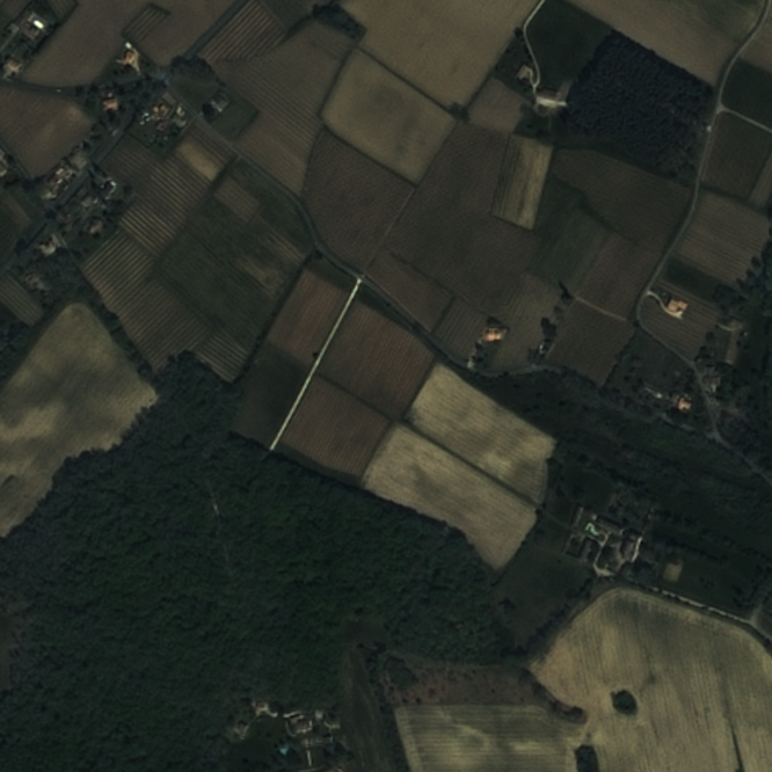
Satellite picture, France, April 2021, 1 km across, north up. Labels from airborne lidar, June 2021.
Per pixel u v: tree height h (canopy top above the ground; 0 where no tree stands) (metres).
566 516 0
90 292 18
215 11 0
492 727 0
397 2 0
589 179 0
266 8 0
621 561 7
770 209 0
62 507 16
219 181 0
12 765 18
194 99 0
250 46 0
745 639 0
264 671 19
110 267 0
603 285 0
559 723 0
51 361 0
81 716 15
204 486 15
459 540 21
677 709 0
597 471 6
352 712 0
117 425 0
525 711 0
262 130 0
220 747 25
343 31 19
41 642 14
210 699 19
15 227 0
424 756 0
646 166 0
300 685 21
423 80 0
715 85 0
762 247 0
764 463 9
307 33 0
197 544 19
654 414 18
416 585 21
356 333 0
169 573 18
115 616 19
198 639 16
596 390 20
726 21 0
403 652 24
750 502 14
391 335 0
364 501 20
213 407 18
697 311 0
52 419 0
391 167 0
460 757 0
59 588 17
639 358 6
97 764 13
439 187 0
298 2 0
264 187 0
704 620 0
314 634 23
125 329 12
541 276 0
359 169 0
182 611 17
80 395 0
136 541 21
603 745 0
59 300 13
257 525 20
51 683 14
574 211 0
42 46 6
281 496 23
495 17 0
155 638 18
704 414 8
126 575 20
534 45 0
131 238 0
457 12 0
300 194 0
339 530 26
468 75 0
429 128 0
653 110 22
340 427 0
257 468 23
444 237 0
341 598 26
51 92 0
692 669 0
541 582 0
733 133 0
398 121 0
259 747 0
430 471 0
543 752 0
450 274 0
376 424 0
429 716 0
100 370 0
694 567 0
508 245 0
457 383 0
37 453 0
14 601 19
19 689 15
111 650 17
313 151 0
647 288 0
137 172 0
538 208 0
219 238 0
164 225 0
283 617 17
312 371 0
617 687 0
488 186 0
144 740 13
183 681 13
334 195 0
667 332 0
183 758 10
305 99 0
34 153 0
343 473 0
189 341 0
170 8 0
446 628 21
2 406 0
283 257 0
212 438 21
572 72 0
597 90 19
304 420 0
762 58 0
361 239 0
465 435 0
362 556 23
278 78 0
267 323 0
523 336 0
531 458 0
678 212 0
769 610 7
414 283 0
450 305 0
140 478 22
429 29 0
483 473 0
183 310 0
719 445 14
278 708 12
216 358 0
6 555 15
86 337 0
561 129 0
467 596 20
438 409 0
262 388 0
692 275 0
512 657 18
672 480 19
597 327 0
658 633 0
